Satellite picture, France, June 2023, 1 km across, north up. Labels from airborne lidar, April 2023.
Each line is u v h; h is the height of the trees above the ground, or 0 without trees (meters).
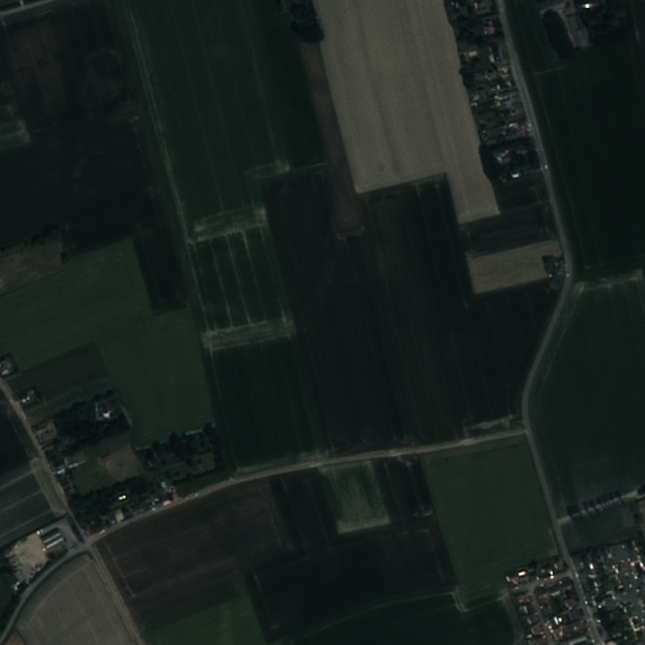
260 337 0
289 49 0
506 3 0
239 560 0
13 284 0
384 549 0
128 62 0
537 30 0
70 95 0
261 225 0
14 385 0
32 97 0
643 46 0
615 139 0
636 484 0
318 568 0
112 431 15
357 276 0
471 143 0
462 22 11
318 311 0
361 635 0
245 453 0
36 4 0
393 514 0
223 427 0
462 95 0
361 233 0
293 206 0
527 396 0
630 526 0
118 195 0
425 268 0
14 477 0
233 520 0
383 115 0
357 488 0
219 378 0
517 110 0
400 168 0
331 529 0
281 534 0
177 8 0
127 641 0
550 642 0
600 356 0
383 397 0
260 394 0
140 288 0
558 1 0
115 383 0
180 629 0
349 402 0
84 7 0
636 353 0
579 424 0
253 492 0
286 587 0
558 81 0
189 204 0
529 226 0
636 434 0
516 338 0
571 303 0
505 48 0
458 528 0
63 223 0
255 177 0
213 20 0
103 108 0
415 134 0
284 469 0
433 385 0
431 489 0
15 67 0
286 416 0
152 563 0
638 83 0
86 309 0
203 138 0
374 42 0
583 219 0
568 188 0
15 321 0
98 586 0
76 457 0
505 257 0
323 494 0
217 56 0
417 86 0
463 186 0
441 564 0
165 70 0
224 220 0
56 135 0
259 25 0
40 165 0
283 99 0
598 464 0
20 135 0
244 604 0
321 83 0
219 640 0
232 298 0
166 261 0
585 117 0
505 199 0
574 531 0
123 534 0
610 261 0
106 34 0
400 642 0
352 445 0
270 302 0
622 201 0
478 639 0
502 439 0
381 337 0
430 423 0
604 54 0
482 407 0
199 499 0
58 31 0
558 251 0
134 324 0
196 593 0
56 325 0
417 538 0
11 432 0
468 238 0
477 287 0
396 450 0
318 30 29
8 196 0
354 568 0
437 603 0
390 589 0
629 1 0
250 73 0
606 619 20
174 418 0
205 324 0
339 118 0
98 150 0
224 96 0
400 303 0
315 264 0
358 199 0
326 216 0
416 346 0
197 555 0
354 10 0
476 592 0
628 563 0
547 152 0
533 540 0
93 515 6
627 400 0
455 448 0
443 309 0
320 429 0
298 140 0
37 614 0
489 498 0
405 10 0
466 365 0
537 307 0
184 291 0
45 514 0
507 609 0
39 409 0
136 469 0
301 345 0
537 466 0
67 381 0
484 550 0
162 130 0
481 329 0
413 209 0
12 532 0
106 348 0
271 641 0
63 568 0
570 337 0
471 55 0
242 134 0
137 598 0
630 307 0
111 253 0
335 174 0
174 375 0
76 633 0
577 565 0
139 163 0
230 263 0
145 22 0
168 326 0
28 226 0
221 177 0
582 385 0
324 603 0
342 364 0
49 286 0
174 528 0
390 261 0
